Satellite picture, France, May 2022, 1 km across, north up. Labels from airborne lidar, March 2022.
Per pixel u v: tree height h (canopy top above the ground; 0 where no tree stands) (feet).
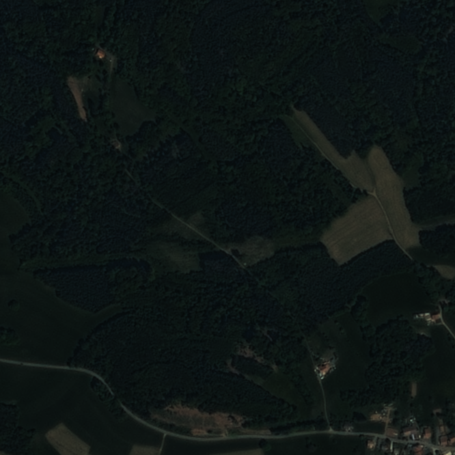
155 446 0
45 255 59
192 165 49
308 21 112
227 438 0
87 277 74
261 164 59
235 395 52
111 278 65
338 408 0
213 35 96
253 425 41
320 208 48
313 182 31
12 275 0
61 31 85
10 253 0
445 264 0
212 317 74
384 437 0
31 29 101
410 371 84
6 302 0
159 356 40
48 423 0
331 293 42
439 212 49
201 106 61
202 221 0
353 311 34
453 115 76
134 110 0
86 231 79
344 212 51
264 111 83
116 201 101
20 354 0
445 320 0
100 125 0
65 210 101
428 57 86
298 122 0
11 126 124
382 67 92
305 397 51
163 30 85
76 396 0
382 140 73
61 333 0
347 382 0
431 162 82
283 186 43
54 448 0
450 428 60
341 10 96
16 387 0
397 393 39
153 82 93
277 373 0
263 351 94
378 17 0
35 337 0
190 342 48
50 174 25
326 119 80
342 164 0
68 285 74
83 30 71
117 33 83
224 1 81
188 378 59
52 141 112
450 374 0
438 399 0
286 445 0
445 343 0
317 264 53
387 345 45
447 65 96
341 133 80
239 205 55
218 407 45
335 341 0
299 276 47
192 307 48
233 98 78
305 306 59
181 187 31
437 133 104
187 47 84
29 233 78
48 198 70
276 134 85
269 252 0
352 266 47
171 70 94
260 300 88
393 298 0
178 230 0
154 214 40
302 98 96
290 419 57
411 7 62
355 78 77
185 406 91
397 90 93
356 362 0
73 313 0
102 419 0
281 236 85
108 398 59
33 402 0
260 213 82
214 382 53
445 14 75
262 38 79
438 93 89
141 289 86
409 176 0
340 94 92
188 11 101
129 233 64
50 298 0
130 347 55
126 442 0
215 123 69
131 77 81
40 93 94
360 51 67
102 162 82
